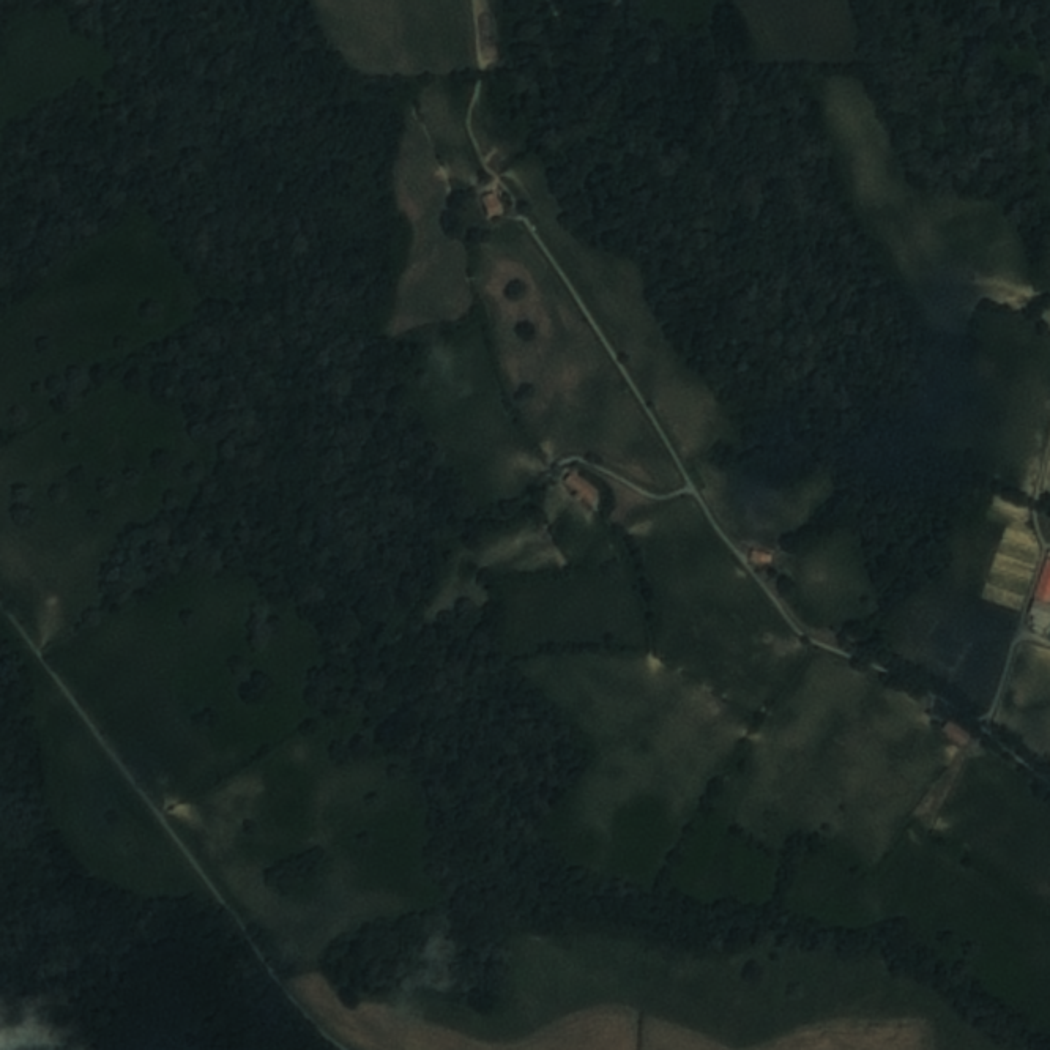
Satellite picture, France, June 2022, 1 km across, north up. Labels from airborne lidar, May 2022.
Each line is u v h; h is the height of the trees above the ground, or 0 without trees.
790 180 12
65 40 0
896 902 0
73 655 0
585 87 24
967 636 0
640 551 6
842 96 0
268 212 11
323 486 19
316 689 17
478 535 9
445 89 0
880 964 0
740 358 10
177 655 0
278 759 0
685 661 0
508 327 0
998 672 0
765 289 12
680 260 13
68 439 10
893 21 17
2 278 17
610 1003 0
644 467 0
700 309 18
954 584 0
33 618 0
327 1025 0
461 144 0
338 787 0
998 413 0
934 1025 0
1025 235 7
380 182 8
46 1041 35
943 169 15
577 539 0
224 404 14
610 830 0
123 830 0
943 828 0
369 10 0
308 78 10
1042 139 8
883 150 0
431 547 16
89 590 0
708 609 0
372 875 0
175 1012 32
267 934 6
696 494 0
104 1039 34
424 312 0
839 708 0
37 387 10
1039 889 0
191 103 25
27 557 0
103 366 12
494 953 19
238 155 22
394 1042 0
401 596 25
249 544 13
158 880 0
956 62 20
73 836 0
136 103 17
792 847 13
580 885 13
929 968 17
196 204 14
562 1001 0
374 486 9
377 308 8
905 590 7
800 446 18
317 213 10
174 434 0
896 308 15
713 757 0
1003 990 0
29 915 14
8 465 0
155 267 0
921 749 0
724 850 0
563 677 0
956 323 0
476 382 0
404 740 18
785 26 0
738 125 17
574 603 0
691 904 8
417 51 0
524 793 12
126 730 0
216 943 17
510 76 18
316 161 10
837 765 0
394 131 9
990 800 0
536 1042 0
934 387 11
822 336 15
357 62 0
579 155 18
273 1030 26
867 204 0
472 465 0
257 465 19
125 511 0
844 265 11
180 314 0
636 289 0
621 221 21
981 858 0
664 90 28
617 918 10
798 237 14
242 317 16
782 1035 0
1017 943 0
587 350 0
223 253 19
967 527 0
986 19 26
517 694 12
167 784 0
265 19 9
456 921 24
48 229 21
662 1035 0
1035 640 0
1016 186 15
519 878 22
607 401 0
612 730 0
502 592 0
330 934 0
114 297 0
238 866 0
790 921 12
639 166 24
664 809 0
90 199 18
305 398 10
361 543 16
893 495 14
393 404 19
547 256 0
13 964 18
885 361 15
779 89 15
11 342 0
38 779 9
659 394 0
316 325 13
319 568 14
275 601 13
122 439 0
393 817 0
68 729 0
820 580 0
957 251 0
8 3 11
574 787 9
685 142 24
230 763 0
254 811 0
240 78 13
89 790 0
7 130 6
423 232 0
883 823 0
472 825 24
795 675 0
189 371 20
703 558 0
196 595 0
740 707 0
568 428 0
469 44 0
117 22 16
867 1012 0
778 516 0
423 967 10
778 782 0
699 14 0
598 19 28
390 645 17
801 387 9
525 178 0
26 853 8
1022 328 0
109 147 14
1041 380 0
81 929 14
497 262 0
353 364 16
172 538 12
